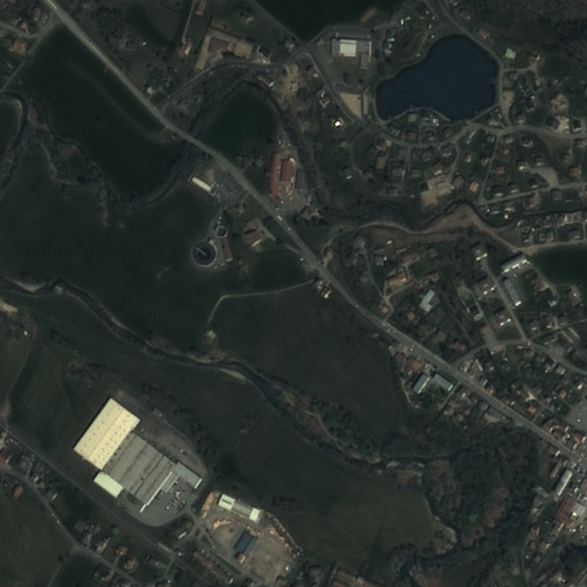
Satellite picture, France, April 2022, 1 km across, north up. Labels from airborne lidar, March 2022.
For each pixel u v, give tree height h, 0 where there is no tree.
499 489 11
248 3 0
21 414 0
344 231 9
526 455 15
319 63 0
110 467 0
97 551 11
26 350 0
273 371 0
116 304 0
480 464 30
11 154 10
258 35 0
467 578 0
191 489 0
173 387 0
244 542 0
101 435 0
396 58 0
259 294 0
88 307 0
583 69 7
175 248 0
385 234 0
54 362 0
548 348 0
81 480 0
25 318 0
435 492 17
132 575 0
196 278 0
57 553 0
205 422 0
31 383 0
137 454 0
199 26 0
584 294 0
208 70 0
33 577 0
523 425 0
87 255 0
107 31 19
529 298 0
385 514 0
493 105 0
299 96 8
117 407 0
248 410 0
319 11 0
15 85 0
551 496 0
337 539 0
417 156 0
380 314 0
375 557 0
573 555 28
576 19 6
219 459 0
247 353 0
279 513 11
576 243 0
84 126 0
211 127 0
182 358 0
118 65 0
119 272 0
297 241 0
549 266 0
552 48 10
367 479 0
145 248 0
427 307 0
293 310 0
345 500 0
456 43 0
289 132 9
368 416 0
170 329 0
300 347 0
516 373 0
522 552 0
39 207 0
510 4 12
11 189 0
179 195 0
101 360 0
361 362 0
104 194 13
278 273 0
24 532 0
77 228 0
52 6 0
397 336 0
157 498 0
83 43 0
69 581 0
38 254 0
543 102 0
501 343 0
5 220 0
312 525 0
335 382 0
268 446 0
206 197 0
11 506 0
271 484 0
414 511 0
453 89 0
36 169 0
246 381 0
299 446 0
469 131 0
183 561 0
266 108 0
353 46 0
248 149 0
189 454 0
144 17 0
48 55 0
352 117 0
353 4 0
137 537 0
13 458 0
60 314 0
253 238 0
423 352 0
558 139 0
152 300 0
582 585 0
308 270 0
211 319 0
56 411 0
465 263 13
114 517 0
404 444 28
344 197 0
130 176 0
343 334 0
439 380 0
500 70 0
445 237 0
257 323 0
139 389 0
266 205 0
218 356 0
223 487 0
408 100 0
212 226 0
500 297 0
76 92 0
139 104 0
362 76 0
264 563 0
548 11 17
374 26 0
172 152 0
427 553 14
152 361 0
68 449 0
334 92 0
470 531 26
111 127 0
